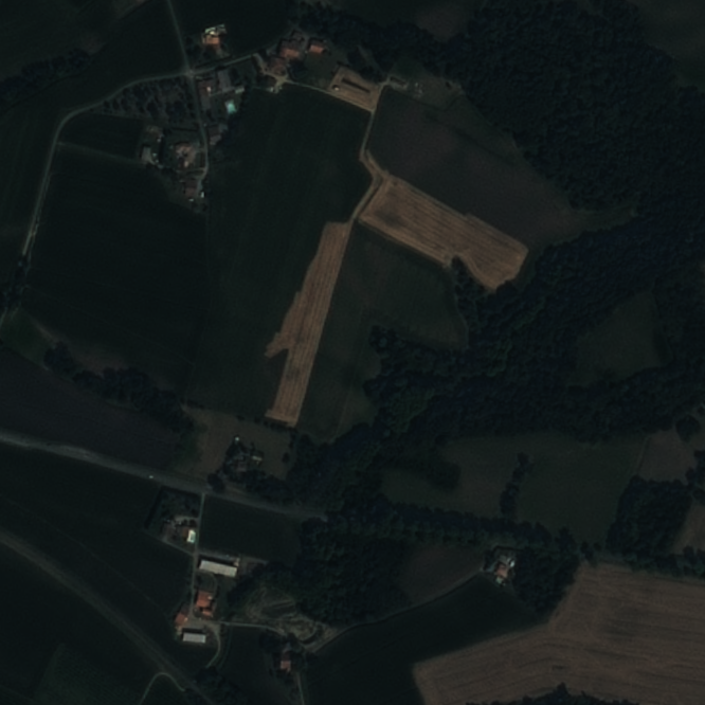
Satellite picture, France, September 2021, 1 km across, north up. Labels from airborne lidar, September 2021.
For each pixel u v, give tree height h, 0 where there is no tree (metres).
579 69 23
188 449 0
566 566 28
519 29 19
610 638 0
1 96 24
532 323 18
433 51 21
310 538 22
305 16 0
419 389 33
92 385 20
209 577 0
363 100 0
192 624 0
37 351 0
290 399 0
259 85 11
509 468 0
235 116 6
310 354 0
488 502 0
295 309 0
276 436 0
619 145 14
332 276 0
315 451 8
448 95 0
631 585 0
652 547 12
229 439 0
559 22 16
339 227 0
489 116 17
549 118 19
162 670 0
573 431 14
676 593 0
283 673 12
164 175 8
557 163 18
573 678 0
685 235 26
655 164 26
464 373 26
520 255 0
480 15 14
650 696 0
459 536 32
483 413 15
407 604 10
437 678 0
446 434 12
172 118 12
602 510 0
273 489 25
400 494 0
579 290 17
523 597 16
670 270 17
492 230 0
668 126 24
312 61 0
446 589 0
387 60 18
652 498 21
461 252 0
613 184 20
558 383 21
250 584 18
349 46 22
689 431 15
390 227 0
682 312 17
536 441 0
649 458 0
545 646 0
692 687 0
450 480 7
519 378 15
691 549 0
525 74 15
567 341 16
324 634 0
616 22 14
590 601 0
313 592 21
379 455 20
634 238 25
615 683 0
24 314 0
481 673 0
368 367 0
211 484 15
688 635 0
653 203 24
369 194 0
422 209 0
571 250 16
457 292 12
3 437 0
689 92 11
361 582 17
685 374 22
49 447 0
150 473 0
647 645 0
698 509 0
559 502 0
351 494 6
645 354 0
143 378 11
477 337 23
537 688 0
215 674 15
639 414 21
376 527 35
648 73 22
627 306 0
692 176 24
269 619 0
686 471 0
